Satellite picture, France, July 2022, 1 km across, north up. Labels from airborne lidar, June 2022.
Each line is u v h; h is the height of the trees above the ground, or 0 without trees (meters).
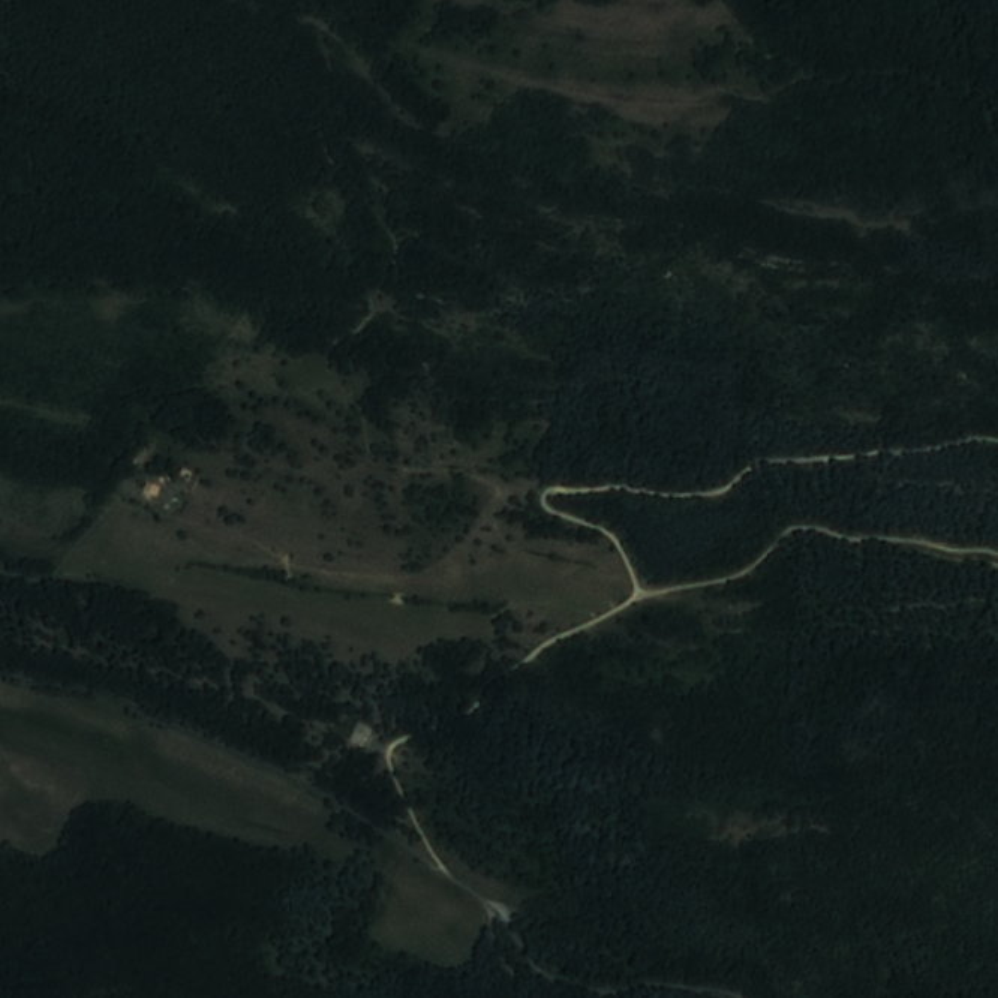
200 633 9
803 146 9
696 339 9
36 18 14
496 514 7
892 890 10
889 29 15
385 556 0
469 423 8
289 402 6
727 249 6
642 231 9
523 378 11
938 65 12
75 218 10
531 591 0
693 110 0
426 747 13
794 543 14
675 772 10
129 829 12
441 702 10
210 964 17
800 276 7
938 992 24
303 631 0
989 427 12
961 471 17
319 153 11
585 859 14
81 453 8
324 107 13
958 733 10
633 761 13
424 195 9
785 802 7
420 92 10
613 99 0
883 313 8
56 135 7
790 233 8
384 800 14
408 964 7
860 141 8
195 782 0
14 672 10
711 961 14
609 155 0
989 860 11
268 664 7
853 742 7
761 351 9
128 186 15
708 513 10
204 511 0
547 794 11
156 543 0
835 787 12
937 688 10
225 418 9
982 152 7
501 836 12
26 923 14
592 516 7
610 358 18
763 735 11
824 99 6
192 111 12
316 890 13
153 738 0
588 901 13
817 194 6
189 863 16
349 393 0
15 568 10
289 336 13
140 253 11
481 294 7
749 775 10
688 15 0
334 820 11
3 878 16
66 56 12
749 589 8
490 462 8
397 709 14
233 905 17
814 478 17
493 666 9
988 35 10
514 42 0
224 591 0
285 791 0
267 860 13
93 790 0
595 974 15
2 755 0
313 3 10
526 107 6
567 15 0
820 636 17
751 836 6
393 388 9
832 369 6
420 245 12
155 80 12
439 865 0
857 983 17
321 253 6
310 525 0
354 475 0
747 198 6
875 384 6
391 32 9
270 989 15
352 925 14
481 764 17
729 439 16
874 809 10
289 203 7
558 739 18
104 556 0
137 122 13
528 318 6
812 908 15
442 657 13
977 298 6
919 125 12
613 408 19
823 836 8
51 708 0
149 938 22
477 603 6
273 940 8
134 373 8
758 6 13
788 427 11
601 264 7
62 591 17
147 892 17
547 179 6
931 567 18
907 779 13
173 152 12
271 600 0
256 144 10
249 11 10
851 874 9
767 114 5
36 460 7
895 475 12
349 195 13
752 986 9
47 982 18
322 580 0
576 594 0
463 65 0
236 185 12
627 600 0
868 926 13
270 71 14
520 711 16
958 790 16
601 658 9
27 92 12
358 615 0
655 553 10
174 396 15
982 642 11
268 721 10
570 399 14
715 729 10
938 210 6
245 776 0
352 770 7
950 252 15
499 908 0
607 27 0
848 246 9
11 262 8
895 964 20
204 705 13
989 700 9
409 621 0
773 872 14
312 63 13
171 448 6
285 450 8
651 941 16
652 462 16
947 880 15
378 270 11
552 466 11
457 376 7
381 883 7
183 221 16
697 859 11
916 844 9
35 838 0
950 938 18
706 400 15
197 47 15
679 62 0
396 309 8
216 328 0
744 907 11
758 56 9
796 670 17
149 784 0
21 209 15
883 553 17
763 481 13
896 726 7
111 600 19
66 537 6
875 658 15
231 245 16
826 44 13
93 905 19
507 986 19
